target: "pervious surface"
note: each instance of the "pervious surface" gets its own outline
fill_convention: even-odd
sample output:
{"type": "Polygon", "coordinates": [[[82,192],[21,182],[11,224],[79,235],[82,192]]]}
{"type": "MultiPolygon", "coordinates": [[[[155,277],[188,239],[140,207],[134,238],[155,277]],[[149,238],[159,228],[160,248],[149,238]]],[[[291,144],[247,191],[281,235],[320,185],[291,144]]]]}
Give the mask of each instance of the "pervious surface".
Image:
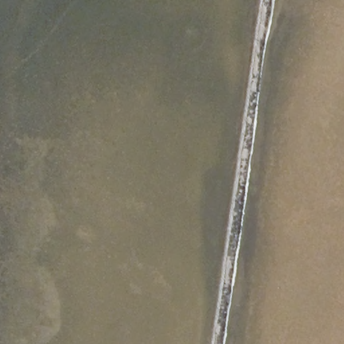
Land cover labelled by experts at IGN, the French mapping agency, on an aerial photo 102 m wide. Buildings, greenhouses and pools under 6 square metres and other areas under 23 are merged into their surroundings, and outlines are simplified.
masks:
{"type": "Polygon", "coordinates": [[[246,126],[251,122],[251,94],[257,89],[259,43],[265,27],[267,0],[259,0],[253,58],[236,157],[211,344],[218,344],[220,309],[223,288],[228,286],[228,270],[232,271],[232,286],[228,296],[222,344],[226,344],[243,230],[238,235],[235,257],[228,257],[232,224],[236,215],[238,185],[246,181],[241,218],[241,226],[245,226],[258,110],[255,109],[254,112],[253,134],[246,134],[246,126]]]}

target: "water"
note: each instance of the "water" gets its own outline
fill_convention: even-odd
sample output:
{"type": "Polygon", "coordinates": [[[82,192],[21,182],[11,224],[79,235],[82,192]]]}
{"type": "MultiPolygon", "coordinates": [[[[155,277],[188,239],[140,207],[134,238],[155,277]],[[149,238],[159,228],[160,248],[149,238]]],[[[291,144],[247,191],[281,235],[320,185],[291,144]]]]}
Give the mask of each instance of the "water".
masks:
{"type": "Polygon", "coordinates": [[[226,344],[344,344],[344,0],[271,0],[265,39],[265,69],[258,110],[245,226],[243,230],[226,344]]]}
{"type": "Polygon", "coordinates": [[[236,157],[253,58],[259,0],[0,0],[0,344],[211,344],[236,157]]]}

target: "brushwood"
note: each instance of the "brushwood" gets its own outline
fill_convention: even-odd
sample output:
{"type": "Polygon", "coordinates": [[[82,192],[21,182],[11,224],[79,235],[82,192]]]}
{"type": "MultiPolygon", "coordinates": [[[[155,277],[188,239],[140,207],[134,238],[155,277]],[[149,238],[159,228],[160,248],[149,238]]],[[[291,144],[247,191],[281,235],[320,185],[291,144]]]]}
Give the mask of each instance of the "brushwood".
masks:
{"type": "Polygon", "coordinates": [[[220,309],[218,344],[222,344],[228,296],[232,286],[232,271],[228,270],[228,286],[223,288],[220,309]]]}
{"type": "Polygon", "coordinates": [[[257,89],[251,94],[251,122],[246,126],[246,134],[253,134],[254,112],[255,109],[258,110],[265,69],[265,39],[271,0],[267,0],[265,27],[259,43],[257,89]]]}
{"type": "Polygon", "coordinates": [[[236,215],[232,224],[228,257],[235,257],[238,235],[243,230],[245,226],[241,226],[241,218],[246,181],[238,185],[236,215]]]}

